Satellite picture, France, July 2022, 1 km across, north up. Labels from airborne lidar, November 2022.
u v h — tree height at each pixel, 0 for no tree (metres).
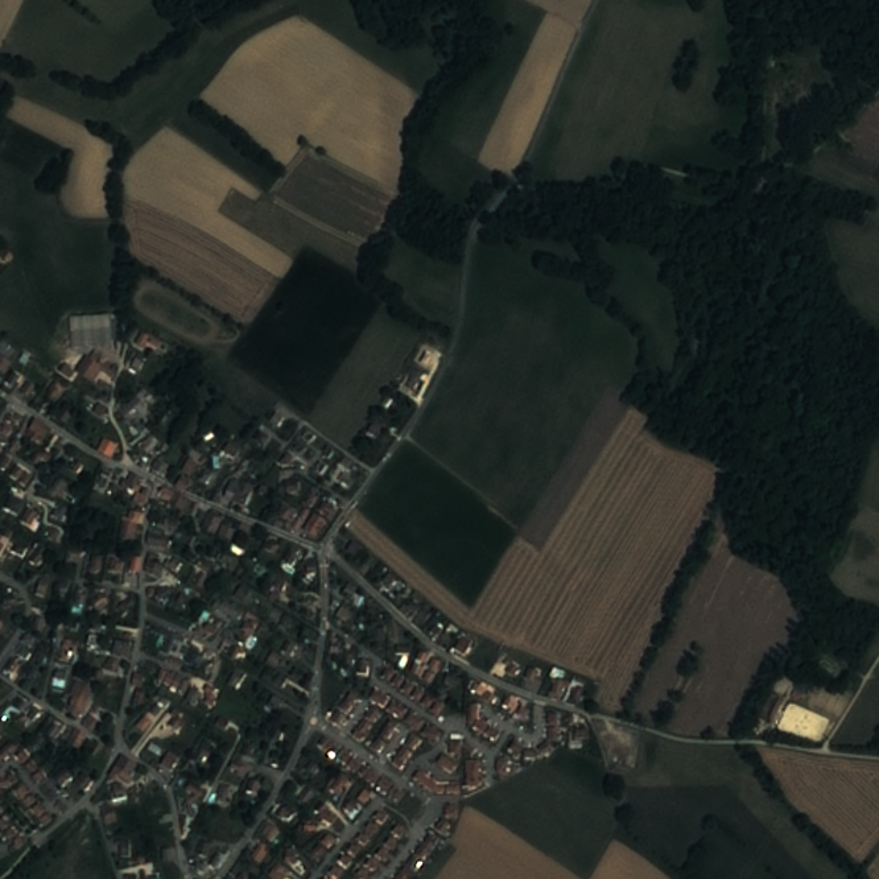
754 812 0
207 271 0
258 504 0
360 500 0
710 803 0
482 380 0
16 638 0
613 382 0
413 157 13
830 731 0
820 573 17
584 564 0
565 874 0
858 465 7
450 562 0
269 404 0
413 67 0
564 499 0
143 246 0
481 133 0
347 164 0
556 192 26
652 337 0
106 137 14
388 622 6
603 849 0
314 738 0
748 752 20
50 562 15
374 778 0
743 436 19
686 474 0
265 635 0
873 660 0
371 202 0
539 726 0
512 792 0
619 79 0
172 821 0
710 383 23
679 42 0
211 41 0
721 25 0
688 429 16
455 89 22
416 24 17
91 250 0
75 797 0
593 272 21
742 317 23
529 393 0
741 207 18
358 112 0
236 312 0
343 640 6
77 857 0
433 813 0
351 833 0
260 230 0
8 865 0
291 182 0
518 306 0
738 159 9
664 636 19
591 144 0
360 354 0
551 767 0
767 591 0
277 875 0
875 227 0
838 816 0
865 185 0
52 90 0
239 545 16
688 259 10
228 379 0
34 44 0
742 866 0
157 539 0
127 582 0
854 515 16
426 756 0
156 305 0
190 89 0
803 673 14
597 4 0
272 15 0
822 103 29
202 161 0
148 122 0
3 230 0
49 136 0
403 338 0
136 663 0
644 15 0
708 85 0
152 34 0
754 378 23
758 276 23
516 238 22
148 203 0
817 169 0
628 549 0
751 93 19
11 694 0
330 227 0
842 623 5
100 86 20
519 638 0
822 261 21
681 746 0
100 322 0
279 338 0
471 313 0
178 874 0
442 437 0
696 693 0
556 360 0
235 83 0
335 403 0
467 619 0
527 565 0
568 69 0
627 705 15
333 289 0
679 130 0
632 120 0
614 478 0
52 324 0
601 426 0
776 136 0
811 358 13
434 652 0
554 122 0
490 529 0
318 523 0
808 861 0
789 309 20
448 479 0
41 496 8
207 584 10
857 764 0
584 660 0
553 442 0
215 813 19
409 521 0
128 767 0
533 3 0
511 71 0
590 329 0
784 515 7
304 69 0
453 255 16
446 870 0
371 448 13
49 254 0
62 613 14
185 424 11
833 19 23
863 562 0
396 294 22
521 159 0
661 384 7
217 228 0
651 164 0
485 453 0
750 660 0
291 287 0
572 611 0
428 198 10
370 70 0
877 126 0
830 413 20
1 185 0
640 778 0
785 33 23
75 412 13
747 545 16
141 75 18
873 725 0
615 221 27
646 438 0
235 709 0
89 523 7
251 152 20
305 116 0
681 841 0
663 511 0
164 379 15
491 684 0
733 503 21
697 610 0
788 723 0
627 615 0
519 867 0
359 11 22
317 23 0
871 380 19
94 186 0
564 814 0
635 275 0
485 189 23
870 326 14
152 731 0
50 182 20
